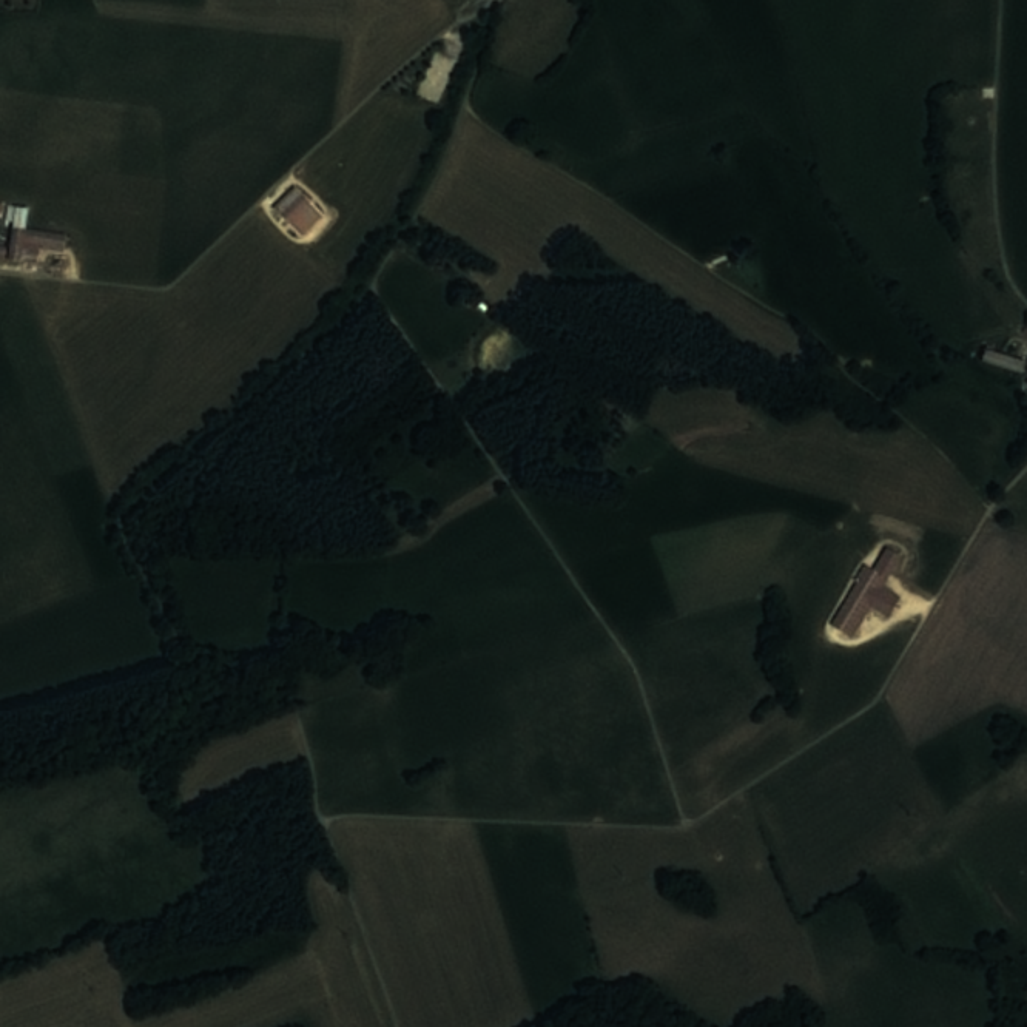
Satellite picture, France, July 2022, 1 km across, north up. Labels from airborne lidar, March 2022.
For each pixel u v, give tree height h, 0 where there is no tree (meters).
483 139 0
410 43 0
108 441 0
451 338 0
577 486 30
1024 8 0
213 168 0
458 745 0
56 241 0
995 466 0
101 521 0
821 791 0
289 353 12
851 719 0
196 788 0
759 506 0
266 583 0
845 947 0
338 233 0
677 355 26
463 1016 0
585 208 0
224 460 30
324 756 0
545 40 0
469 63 16
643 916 0
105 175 0
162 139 0
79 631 0
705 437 0
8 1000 0
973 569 0
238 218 0
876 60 0
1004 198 0
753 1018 20
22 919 0
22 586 0
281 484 30
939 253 0
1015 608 0
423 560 0
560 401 25
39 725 25
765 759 0
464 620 0
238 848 21
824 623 0
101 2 0
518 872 0
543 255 0
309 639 31
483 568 0
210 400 0
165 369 0
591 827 0
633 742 0
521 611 0
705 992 0
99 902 0
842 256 0
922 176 0
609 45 0
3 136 0
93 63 0
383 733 0
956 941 0
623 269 0
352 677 0
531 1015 0
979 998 0
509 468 6
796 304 0
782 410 28
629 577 0
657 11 0
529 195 0
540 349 27
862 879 15
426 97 0
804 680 0
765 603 11
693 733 0
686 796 0
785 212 0
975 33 0
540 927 0
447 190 0
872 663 0
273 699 23
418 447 17
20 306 0
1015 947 0
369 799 0
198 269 0
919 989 0
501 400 24
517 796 0
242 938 22
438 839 0
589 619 0
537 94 0
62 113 0
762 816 0
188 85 0
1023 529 0
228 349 0
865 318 0
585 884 0
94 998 0
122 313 0
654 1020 29
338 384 29
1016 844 0
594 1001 19
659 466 0
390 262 0
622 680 0
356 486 31
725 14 0
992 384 0
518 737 0
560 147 0
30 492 0
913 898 0
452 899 0
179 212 0
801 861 0
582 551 0
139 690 27
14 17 0
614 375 33
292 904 24
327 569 0
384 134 0
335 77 0
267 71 0
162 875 0
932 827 0
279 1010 0
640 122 0
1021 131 0
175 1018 0
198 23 0
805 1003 7
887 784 0
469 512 0
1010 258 0
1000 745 13
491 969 0
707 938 0
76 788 0
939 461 0
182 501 18
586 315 31
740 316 0
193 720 27
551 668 0
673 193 0
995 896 0
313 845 19
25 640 0
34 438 0
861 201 0
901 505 0
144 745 23
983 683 0
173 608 22
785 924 0
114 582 0
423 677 0
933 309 0
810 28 0
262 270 0
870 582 0
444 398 20
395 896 0
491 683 0
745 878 0
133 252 0
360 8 0
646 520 0
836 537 0
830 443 0
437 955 0
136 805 0
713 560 0
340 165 0
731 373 34
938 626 0
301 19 0
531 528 0
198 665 24
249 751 0
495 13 14
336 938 0
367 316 28
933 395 0
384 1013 0
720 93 0
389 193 0
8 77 0
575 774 0
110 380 0
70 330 0
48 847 0
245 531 15
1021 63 0
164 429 0
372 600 0
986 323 0
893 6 0
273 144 0
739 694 0
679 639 0
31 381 0
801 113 0
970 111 0
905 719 0
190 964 0
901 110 0
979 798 0
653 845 0
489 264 20
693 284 0
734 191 0
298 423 26
